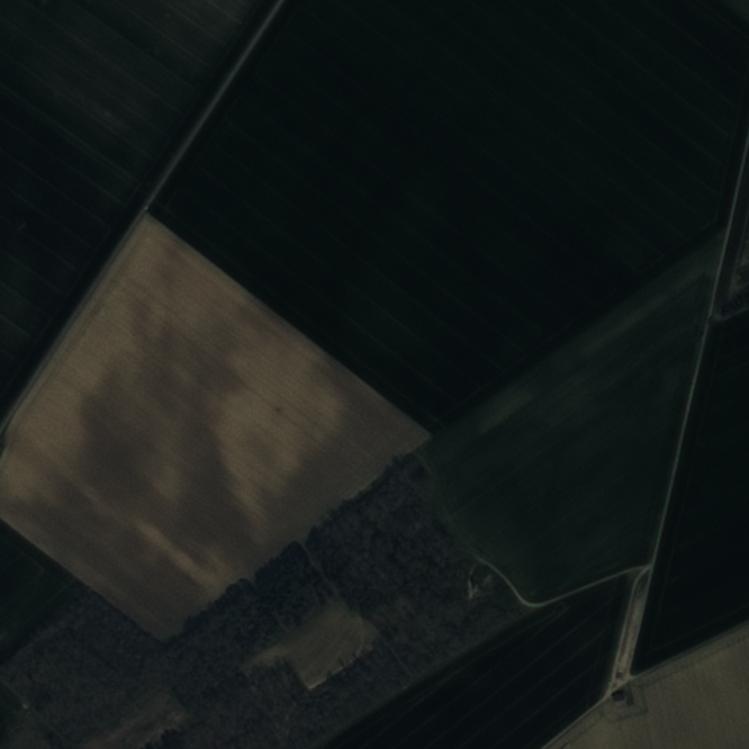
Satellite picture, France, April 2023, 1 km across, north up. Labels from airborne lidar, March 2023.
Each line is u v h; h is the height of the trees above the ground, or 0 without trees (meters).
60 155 0
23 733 0
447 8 0
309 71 0
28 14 0
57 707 18
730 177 0
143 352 0
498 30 0
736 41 0
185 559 0
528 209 0
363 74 0
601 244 0
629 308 0
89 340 0
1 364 0
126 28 0
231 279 0
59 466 0
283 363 0
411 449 0
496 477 0
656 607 0
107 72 0
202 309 0
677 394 0
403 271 0
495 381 0
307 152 0
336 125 0
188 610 0
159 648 7
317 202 0
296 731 15
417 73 0
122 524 0
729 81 0
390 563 23
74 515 0
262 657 0
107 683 18
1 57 0
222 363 0
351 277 0
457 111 0
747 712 0
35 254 0
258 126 0
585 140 0
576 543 0
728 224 0
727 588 0
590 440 0
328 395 0
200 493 0
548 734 0
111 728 0
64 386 0
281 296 0
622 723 0
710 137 0
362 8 0
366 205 0
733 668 0
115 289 0
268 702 22
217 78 0
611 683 0
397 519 18
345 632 0
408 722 0
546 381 0
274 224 0
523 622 0
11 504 0
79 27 0
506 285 0
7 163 0
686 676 0
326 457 0
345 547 24
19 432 0
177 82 0
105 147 0
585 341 0
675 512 0
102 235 0
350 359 0
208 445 0
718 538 0
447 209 0
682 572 0
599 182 0
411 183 0
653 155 0
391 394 0
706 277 0
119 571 0
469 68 0
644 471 0
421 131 0
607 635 0
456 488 0
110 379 0
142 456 0
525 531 0
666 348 0
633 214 0
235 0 0
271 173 0
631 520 0
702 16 0
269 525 0
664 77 0
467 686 0
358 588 21
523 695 0
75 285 0
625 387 0
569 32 0
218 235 0
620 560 0
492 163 0
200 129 0
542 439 0
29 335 0
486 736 0
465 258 0
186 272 0
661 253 0
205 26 0
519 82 0
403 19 0
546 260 0
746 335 0
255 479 0
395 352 0
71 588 0
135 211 0
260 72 0
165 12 0
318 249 0
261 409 0
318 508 0
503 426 0
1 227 0
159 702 0
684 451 0
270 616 17
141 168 0
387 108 0
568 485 0
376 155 0
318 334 0
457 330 0
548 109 0
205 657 13
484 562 0
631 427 0
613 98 0
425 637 19
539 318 0
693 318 0
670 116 0
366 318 0
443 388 0
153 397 0
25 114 0
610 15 0
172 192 0
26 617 0
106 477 0
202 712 14
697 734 0
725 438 0
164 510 0
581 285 0
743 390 0
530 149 0
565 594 0
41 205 0
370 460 0
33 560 0
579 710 0
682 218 0
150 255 0
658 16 0
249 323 0
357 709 14
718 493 0
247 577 0
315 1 0
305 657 0
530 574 0
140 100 0
